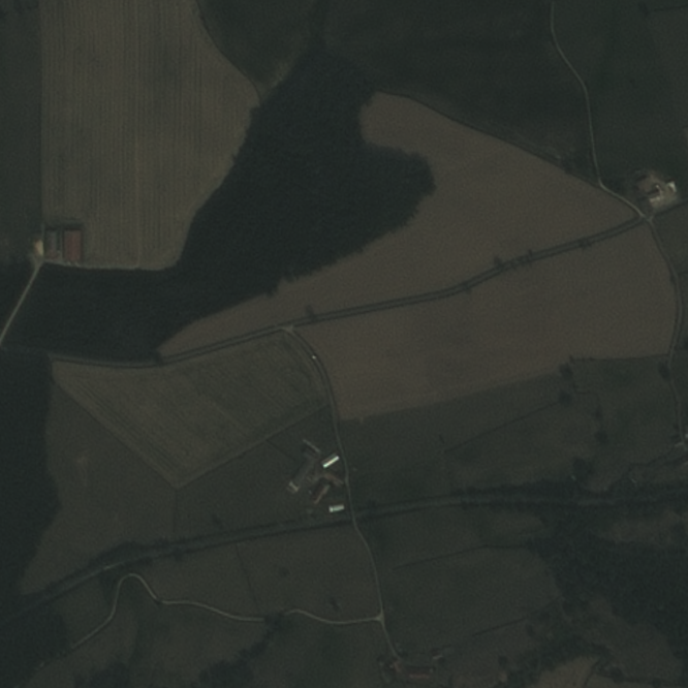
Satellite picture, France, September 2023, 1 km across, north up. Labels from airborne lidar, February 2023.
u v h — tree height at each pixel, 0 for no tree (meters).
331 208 23
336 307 0
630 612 10
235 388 0
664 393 0
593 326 0
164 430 0
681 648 11
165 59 0
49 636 24
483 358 0
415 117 0
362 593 0
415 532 0
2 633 20
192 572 0
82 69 0
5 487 18
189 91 0
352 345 0
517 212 0
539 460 0
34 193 0
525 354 0
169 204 0
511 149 0
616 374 0
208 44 0
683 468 0
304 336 0
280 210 8
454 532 0
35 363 15
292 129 18
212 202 5
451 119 0
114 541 0
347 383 0
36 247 0
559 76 0
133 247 0
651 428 0
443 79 0
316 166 17
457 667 0
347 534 0
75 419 0
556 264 0
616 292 0
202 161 0
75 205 0
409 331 0
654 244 0
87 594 0
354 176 28
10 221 0
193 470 0
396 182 23
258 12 0
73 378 0
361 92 20
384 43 0
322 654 0
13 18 0
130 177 0
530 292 0
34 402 14
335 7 0
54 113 0
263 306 0
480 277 0
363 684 0
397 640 0
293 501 0
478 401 0
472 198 0
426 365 0
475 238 0
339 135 18
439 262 0
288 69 0
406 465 0
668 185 0
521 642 0
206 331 0
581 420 0
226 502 0
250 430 0
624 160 0
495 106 0
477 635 0
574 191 0
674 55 0
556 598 0
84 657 0
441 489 0
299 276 9
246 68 0
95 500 0
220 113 0
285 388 0
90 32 0
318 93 23
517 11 0
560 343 0
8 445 16
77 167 0
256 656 14
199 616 0
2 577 16
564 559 23
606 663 0
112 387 0
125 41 0
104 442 0
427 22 0
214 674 12
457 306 0
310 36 0
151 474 0
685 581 7
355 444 0
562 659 20
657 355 0
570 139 0
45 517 13
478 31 0
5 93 0
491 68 0
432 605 0
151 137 0
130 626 0
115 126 0
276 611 0
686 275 0
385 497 0
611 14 0
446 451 0
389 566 0
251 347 0
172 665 0
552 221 0
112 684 16
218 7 0
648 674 0
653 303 0
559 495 15
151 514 0
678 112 0
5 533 16
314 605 0
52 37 0
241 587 0
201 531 0
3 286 6
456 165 0
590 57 0
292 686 0
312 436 0
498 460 0
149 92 0
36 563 0
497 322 0
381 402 0
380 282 0
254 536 0
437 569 0
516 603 0
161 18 0
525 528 0
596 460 0
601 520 0
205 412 0
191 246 6
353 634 0
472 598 0
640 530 0
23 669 19
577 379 0
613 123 0
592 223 0
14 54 0
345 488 10
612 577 22
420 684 0
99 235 0
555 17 0
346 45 0
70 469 0
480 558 0
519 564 0
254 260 7
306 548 0
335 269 0
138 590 0
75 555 0
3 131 0
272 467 0
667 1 0
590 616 0
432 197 0
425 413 0
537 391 0
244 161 8
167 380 0
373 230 13
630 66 0
